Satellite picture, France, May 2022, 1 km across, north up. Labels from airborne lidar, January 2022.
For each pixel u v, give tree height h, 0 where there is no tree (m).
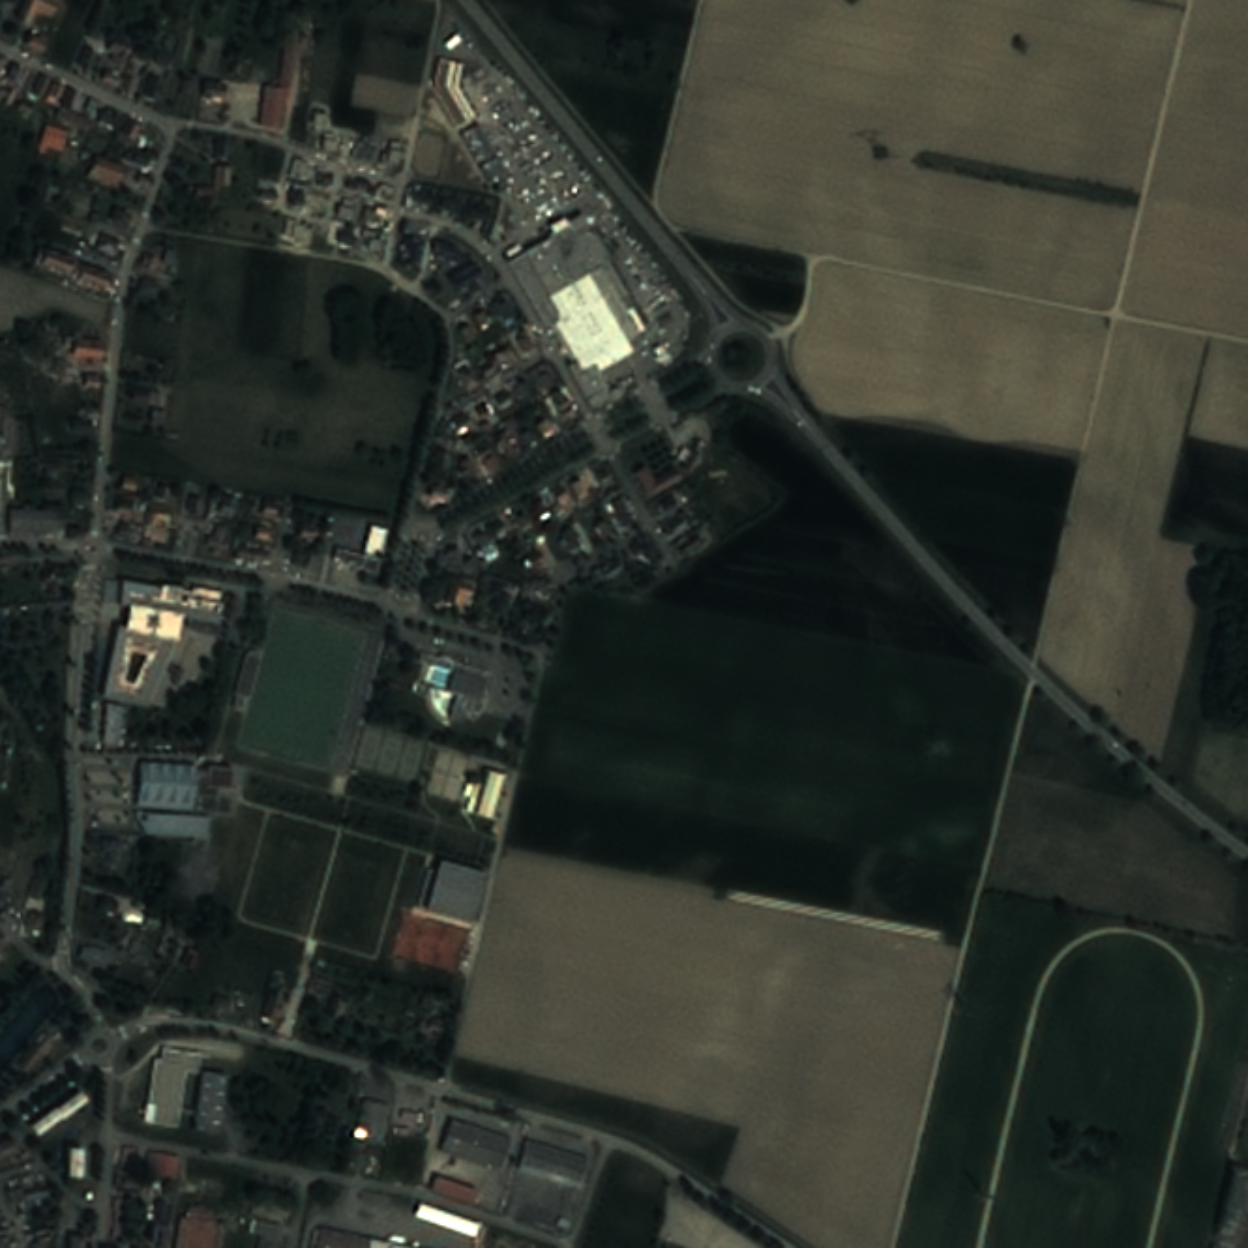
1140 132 0
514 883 0
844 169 0
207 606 0
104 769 0
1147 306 0
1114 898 0
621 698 0
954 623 0
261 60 0
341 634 0
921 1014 0
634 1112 0
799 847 0
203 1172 0
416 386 0
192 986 0
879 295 0
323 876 0
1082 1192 0
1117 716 0
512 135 0
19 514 0
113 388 0
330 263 0
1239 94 0
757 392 0
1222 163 0
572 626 0
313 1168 0
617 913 0
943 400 0
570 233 0
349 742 0
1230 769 0
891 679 0
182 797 0
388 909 0
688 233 0
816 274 0
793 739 0
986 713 0
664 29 0
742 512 0
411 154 0
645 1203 0
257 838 0
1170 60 0
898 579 0
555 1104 0
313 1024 8
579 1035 0
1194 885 0
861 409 0
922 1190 0
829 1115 0
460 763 0
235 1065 0
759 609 0
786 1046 0
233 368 0
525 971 0
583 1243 0
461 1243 0
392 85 0
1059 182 0
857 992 0
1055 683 0
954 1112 0
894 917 0
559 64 0
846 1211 0
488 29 0
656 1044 0
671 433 0
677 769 0
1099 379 0
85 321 0
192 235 0
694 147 0
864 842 0
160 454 0
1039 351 0
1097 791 0
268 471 0
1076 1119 0
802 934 0
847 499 0
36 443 5
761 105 0
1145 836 0
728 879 0
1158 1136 0
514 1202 0
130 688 0
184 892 0
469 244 0
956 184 0
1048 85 0
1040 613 0
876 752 0
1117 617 0
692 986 0
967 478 0
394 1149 0
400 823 0
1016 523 0
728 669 0
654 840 0
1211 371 0
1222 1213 12
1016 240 0
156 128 0
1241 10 0
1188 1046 0
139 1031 0
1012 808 0
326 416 0
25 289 0
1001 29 0
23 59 0
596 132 0
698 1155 0
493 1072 0
